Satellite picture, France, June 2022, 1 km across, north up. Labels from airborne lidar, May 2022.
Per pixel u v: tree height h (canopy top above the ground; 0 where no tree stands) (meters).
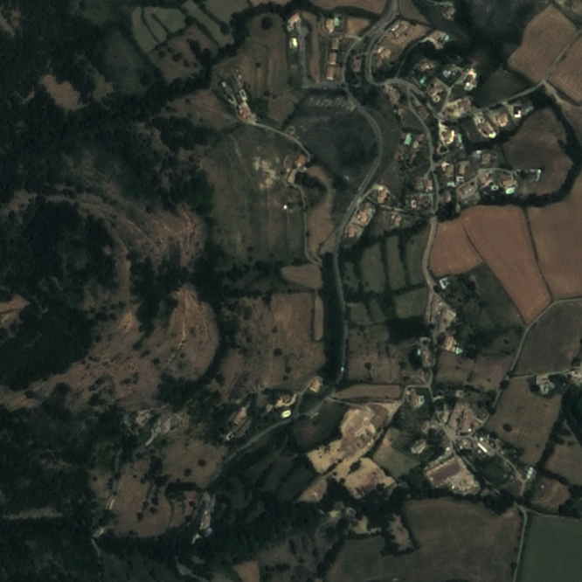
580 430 16
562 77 0
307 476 0
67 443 7
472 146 15
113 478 8
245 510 11
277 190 0
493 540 0
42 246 15
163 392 9
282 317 0
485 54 0
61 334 12
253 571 0
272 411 8
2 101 15
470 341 6
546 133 0
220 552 7
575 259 0
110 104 8
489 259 0
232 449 10
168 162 11
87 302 0
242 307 0
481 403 12
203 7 7
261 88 0
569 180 11
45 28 7
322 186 8
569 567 0
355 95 6
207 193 0
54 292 9
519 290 0
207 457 0
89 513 13
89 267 10
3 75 17
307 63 0
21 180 10
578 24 0
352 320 9
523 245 0
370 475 0
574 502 9
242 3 0
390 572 0
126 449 11
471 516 0
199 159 0
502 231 0
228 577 7
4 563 15
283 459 0
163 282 16
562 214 0
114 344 0
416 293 0
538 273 0
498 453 0
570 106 0
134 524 0
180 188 15
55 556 9
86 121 20
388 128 0
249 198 0
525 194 0
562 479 14
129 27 9
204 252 15
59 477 10
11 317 0
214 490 12
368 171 0
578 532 0
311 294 0
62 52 21
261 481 11
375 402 0
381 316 0
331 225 0
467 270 0
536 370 0
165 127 15
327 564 11
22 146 23
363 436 0
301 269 0
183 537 14
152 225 0
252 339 7
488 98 0
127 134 12
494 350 0
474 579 0
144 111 14
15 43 13
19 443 11
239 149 0
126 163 7
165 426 0
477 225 0
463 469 0
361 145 0
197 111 0
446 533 0
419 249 0
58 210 13
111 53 0
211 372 15
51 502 13
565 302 0
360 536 8
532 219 0
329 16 9
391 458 0
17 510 12
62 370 17
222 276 15
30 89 11
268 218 0
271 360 0
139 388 0
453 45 7
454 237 0
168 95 14
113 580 0
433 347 6
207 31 7
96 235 18
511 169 10
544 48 0
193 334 0
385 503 7
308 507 17
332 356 12
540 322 0
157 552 12
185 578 6
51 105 17
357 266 8
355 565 0
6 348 11
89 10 0
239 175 0
